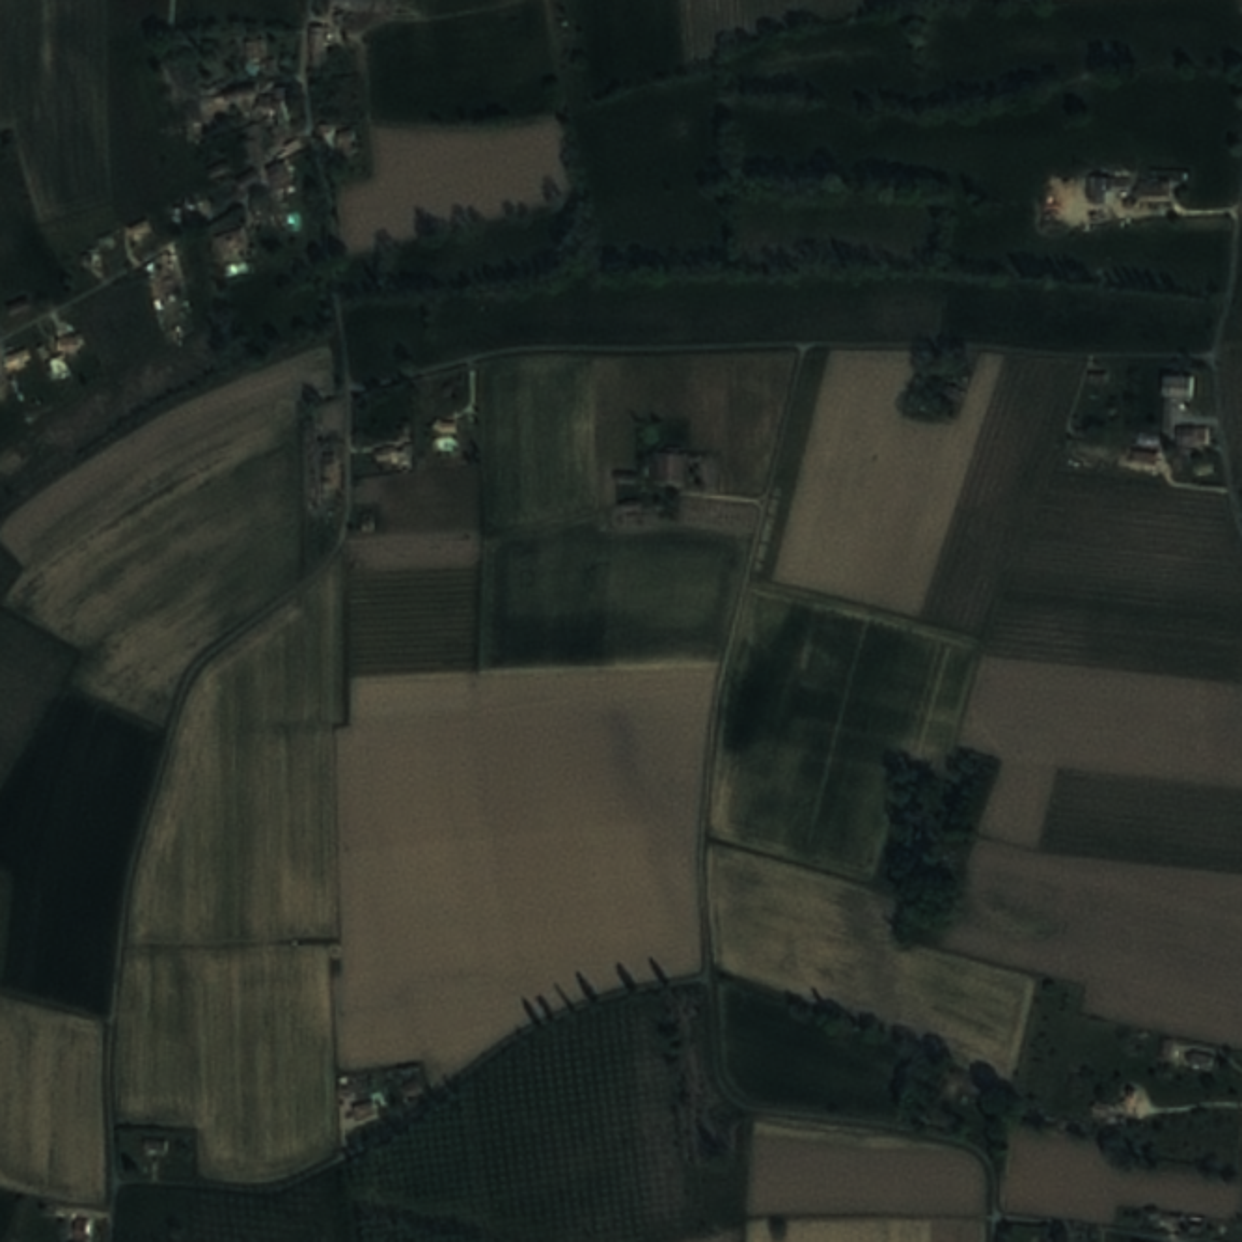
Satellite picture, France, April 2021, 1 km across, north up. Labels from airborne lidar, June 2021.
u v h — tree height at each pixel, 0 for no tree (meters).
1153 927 0
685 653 0
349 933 0
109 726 0
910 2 12
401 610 0
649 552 0
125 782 0
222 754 0
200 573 0
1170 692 0
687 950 0
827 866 0
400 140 0
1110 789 0
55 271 0
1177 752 0
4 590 0
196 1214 18
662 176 0
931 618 0
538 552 0
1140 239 0
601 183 0
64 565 0
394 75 0
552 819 0
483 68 0
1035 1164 0
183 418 0
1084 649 0
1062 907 0
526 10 0
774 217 0
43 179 0
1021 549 0
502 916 0
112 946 0
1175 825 0
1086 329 0
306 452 0
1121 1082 6
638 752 0
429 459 0
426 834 0
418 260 0
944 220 14
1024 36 0
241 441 0
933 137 0
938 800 23
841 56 0
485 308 0
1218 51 0
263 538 0
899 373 0
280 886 0
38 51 0
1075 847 0
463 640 0
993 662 0
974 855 0
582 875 0
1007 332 0
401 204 0
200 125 13
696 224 0
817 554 0
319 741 0
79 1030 0
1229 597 0
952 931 12
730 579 0
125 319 0
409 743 0
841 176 28
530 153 0
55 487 0
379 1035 0
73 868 0
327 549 0
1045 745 0
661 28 0
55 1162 0
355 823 0
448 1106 22
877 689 0
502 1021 0
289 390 0
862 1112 0
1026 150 0
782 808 0
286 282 11
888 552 0
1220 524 0
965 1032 0
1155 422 9
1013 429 0
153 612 0
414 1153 23
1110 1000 0
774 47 13
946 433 0
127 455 0
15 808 0
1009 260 0
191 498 0
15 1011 0
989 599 0
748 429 0
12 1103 0
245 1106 0
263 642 0
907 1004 0
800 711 0
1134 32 0
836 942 0
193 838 0
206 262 0
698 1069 0
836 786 0
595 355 0
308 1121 0
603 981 0
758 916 0
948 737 0
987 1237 0
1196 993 0
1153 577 0
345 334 0
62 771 0
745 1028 0
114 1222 0
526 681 0
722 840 0
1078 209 0
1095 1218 0
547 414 0
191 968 0
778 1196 0
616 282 24
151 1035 0
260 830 0
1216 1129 9
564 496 0
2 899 0
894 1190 0
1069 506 0
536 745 0
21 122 0
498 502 0
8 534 0
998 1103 34
